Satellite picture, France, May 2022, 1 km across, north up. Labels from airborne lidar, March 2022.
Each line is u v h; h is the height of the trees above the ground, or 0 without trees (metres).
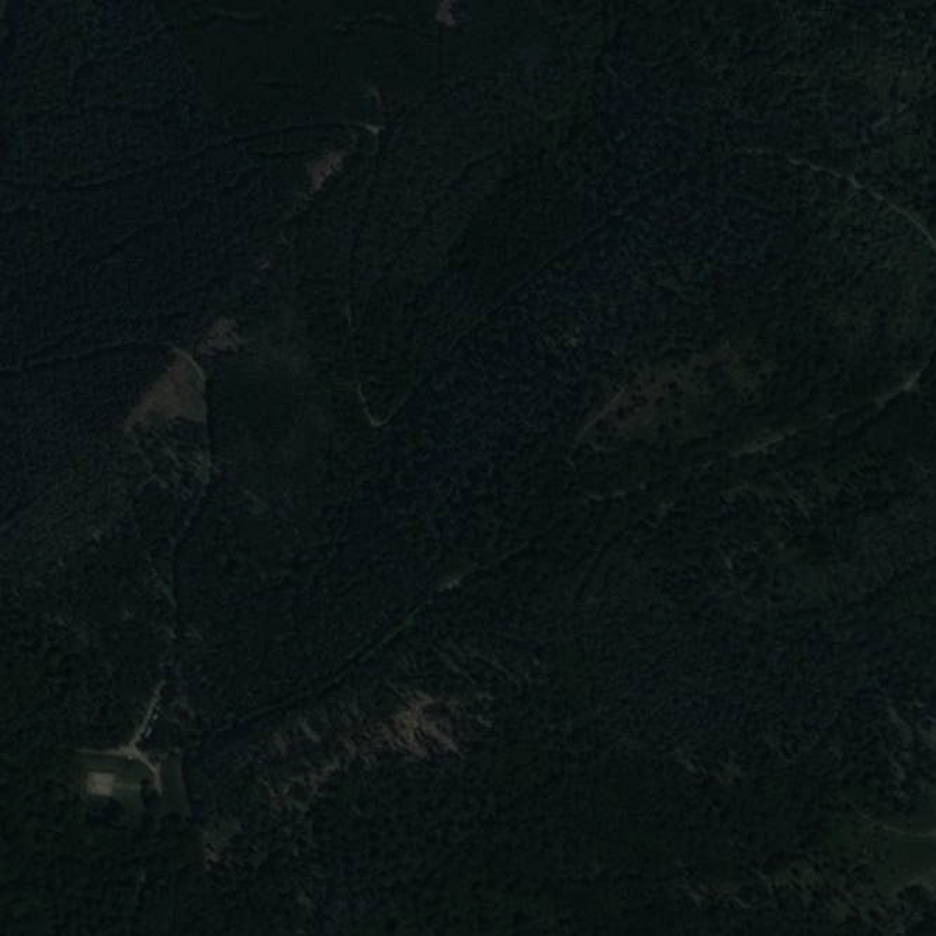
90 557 19
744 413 11
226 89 19
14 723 21
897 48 11
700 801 18
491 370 27
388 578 20
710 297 16
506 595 20
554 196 12
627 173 27
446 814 27
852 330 14
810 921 19
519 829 26
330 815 21
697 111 24
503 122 24
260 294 14
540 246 14
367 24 20
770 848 11
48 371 23
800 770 7
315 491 19
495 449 29
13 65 27
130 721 18
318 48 20
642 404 9
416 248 29
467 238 8
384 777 26
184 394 0
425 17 19
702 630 29
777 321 7
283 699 19
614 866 20
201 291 26
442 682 19
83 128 29
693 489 27
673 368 8
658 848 19
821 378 7
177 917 20
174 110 30
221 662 21
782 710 22
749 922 19
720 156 17
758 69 8
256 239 26
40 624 17
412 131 24
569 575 27
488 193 9
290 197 16
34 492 15
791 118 12
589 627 26
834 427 13
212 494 17
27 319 30
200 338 17
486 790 20
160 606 21
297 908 31
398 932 16
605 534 16
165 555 15
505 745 20
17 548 23
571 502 16
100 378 25
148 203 30
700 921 25
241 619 25
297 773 21
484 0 18
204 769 22
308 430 20
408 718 0
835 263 8
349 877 29
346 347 14
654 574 26
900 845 0
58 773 22
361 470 14
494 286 13
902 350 12
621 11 25
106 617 20
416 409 17
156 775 0
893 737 24
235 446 15
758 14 12
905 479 19
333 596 24
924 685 23
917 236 7
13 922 25
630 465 12
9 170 26
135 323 26
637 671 29
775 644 27
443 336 18
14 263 27
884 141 15
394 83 16
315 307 13
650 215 26
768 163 8
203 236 26
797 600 24
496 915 7
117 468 19
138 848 17
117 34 29
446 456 30
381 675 22
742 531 22
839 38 15
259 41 18
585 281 25
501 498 16
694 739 24
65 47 28
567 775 18
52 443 23
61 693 24
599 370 18
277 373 18
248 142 19
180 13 19
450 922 18
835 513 21
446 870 18
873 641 26
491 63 16
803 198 8
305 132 18
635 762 14
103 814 0
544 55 17
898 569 22
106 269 30
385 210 24
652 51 25
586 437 0
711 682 27
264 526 21
